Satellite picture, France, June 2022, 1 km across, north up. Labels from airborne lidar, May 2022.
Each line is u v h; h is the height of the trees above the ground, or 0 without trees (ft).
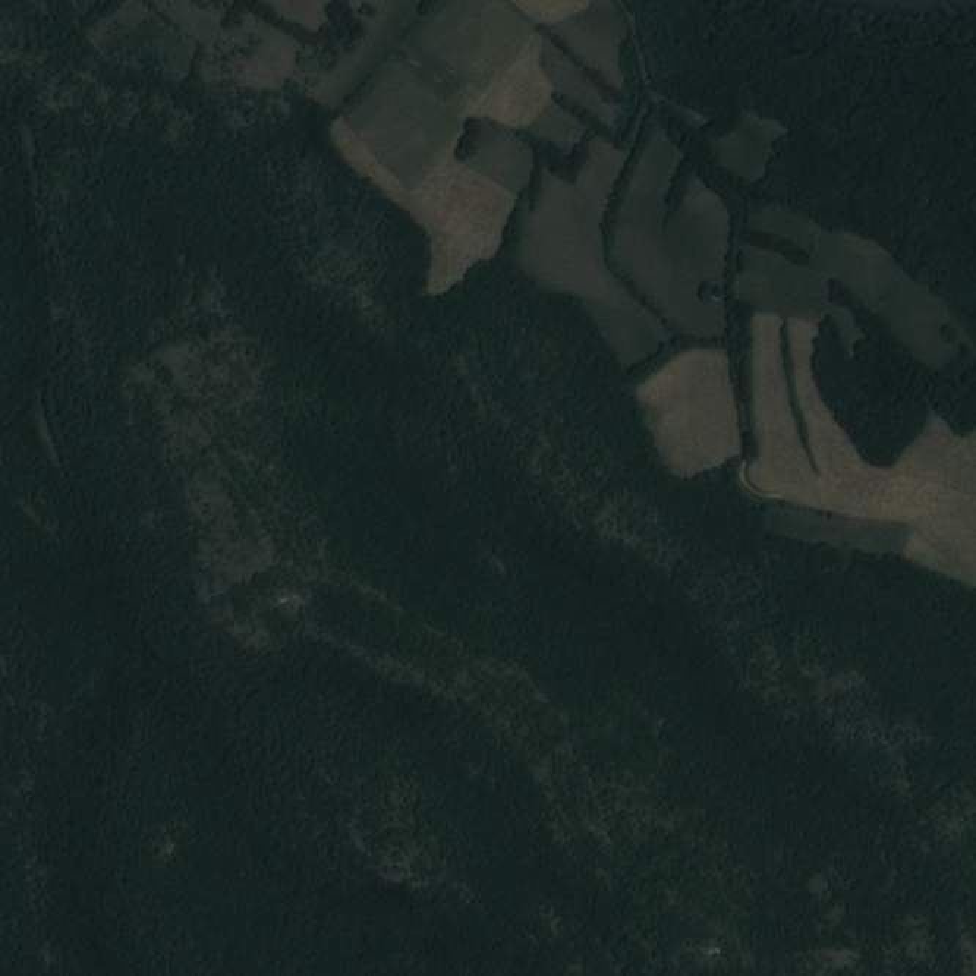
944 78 44
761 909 31
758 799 31
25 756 21
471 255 0
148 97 27
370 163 0
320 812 27
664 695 31
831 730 25
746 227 49
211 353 18
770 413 0
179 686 48
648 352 0
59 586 38
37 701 25
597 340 38
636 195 0
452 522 36
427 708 37
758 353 0
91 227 34
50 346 45
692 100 55
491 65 0
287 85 24
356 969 38
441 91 0
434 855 22
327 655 37
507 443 20
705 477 34
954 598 41
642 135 31
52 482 31
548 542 60
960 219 70
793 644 31
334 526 31
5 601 22
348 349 45
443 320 34
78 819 49
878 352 57
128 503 20
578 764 25
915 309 0
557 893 31
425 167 0
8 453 30
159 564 28
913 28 56
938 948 20
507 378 31
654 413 0
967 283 55
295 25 22
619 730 17
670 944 22
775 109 65
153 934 28
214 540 20
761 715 25
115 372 33
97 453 21
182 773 25
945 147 58
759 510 38
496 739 20
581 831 18
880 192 54
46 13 22
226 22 27
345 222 35
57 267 29
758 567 36
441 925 41
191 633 26
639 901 18
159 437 23
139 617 36
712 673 44
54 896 28
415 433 20
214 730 33
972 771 37
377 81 0
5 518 27
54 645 27
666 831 22
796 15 49
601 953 29
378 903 45
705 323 0
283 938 32
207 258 39
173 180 40
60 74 27
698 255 0
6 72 29
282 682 43
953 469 0
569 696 27
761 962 24
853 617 42
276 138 42
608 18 0
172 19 22
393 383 38
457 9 0
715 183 49
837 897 27
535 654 31
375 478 54
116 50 25
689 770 26
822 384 43
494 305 26
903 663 25
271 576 19
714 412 0
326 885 27
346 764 24
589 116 40
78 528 43
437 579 50
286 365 24
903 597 40
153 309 27
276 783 30
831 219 52
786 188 23
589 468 24
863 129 72
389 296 34
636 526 22
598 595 47
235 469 19
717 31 60
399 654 24
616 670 26
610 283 0
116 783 29
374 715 38
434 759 31
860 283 0
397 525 59
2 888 35
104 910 45
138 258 30
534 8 0
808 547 34
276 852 51
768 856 21
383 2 0
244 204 50
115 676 41
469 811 26
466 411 20
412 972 25
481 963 31
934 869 32
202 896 32
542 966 37
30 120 42
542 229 0
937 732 26
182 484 22
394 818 22
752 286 0
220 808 45
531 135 38
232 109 24
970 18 68
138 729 25
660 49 28
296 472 24
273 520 25
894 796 38
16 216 59
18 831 24
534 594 36
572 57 22
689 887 21
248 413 21
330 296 31
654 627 44
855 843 22
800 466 0
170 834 18
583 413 26
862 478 0
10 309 31
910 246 72
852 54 48
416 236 36
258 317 33
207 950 27
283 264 40
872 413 62
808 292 0
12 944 30
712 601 31
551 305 40
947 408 66
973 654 33
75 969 27
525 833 34
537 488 22
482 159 0
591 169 0
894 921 24
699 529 34
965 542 0
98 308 32
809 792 34
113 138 38
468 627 31
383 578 31
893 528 0
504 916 34
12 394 39
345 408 21
